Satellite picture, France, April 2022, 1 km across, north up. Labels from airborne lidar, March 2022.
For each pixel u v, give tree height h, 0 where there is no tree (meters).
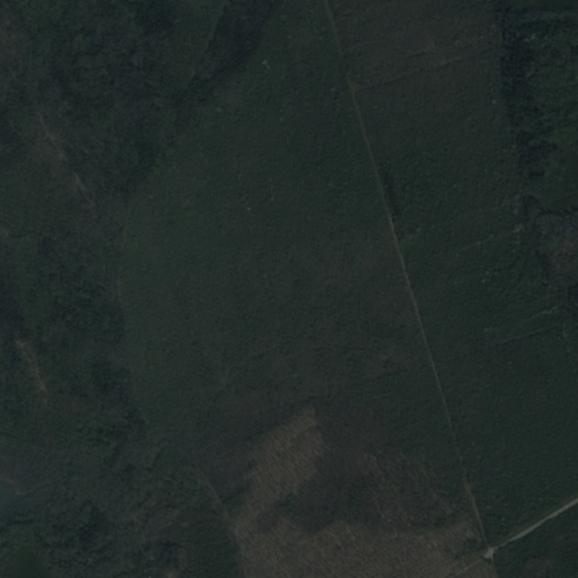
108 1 20
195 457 14
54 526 17
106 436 18
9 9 22
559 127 20
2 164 21
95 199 21
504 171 13
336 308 15
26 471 6
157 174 19
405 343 14
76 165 21
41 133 20
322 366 14
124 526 20
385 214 11
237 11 19
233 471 18
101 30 23
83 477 19
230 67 19
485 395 13
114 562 22
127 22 27
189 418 11
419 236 25
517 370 14
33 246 19
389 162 11
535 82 19
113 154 22
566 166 19
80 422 19
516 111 22
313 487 19
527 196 22
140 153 21
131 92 24
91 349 19
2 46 24
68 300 18
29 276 15
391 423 15
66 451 19
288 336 14
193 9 18
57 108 20
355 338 15
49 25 19
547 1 0
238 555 20
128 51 24
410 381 14
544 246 24
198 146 13
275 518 17
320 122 11
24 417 19
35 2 20
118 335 21
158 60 24
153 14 23
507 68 18
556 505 12
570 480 13
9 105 20
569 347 14
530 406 12
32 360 17
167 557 23
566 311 16
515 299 13
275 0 24
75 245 23
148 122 23
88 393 17
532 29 24
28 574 0
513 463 14
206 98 20
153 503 23
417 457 18
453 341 13
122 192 20
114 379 22
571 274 19
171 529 0
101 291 17
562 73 25
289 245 11
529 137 14
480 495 13
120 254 20
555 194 14
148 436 22
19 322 20
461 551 20
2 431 17
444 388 7
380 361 13
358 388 13
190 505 7
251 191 10
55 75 21
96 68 19
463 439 10
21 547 12
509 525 14
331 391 13
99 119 20
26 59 24
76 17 21
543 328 10
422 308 10
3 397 20
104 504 20
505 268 21
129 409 21
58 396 18
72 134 22
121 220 22
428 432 16
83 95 17
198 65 20
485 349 12
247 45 19
